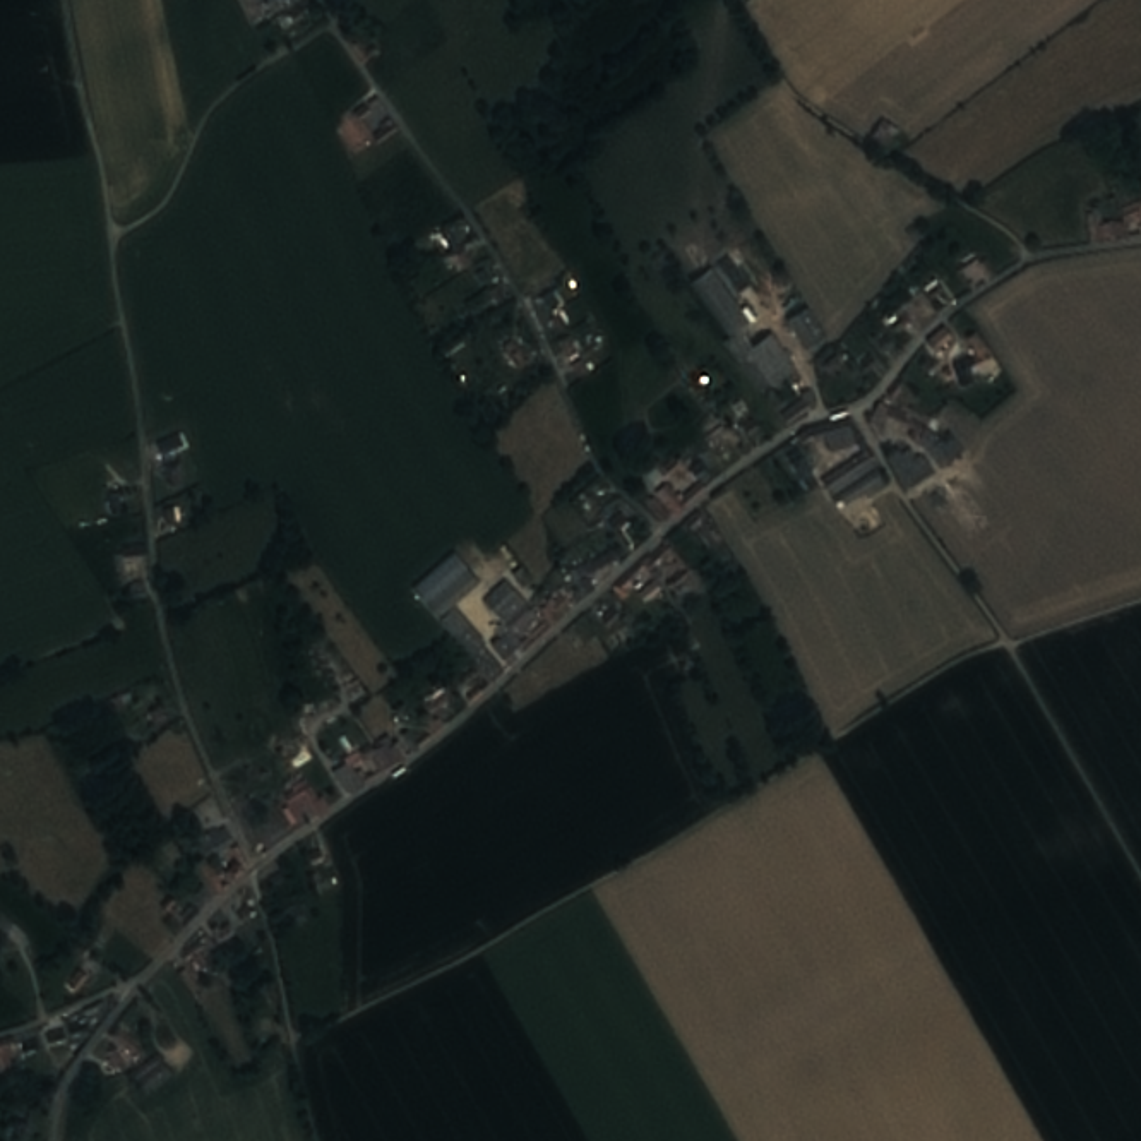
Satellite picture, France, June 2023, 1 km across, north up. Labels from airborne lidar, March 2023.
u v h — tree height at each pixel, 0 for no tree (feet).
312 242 0
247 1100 0
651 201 0
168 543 0
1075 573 0
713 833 0
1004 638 0
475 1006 0
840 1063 0
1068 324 0
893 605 0
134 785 60
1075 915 0
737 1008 0
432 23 0
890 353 0
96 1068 37
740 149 0
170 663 0
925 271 21
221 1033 0
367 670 0
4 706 0
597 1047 0
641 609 0
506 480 0
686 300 0
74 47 0
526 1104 0
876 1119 0
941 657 0
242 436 0
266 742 0
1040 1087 0
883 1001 0
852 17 0
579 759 0
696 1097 0
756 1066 0
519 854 0
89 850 0
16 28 0
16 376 0
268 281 0
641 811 0
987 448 0
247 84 0
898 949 0
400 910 0
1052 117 0
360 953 0
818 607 0
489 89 0
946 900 0
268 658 0
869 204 0
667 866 0
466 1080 0
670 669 0
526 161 52
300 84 0
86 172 0
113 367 0
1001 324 0
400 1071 0
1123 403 0
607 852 0
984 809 0
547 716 0
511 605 0
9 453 0
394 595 0
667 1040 0
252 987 67
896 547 0
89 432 0
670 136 0
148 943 0
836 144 0
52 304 0
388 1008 0
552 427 0
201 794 0
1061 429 0
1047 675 0
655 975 0
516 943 0
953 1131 0
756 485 0
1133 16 0
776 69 49
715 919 0
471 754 0
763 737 0
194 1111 0
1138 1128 0
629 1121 0
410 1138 0
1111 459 0
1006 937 0
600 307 0
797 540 0
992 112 0
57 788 0
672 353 66
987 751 0
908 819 0
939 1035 0
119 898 0
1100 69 0
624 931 0
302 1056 0
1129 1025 0
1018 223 0
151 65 0
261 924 0
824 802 0
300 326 0
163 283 0
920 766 0
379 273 0
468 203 0
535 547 0
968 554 0
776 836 0
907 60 0
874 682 0
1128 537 0
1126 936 0
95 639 22
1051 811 0
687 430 0
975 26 0
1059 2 0
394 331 0
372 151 0
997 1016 0
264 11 0
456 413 35
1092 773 0
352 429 0
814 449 0
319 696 0
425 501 0
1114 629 0
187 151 0
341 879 0
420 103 0
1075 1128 0
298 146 0
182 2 0
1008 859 0
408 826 0
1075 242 0
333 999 0
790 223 0
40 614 0
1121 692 0
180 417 0
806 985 0
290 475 0
